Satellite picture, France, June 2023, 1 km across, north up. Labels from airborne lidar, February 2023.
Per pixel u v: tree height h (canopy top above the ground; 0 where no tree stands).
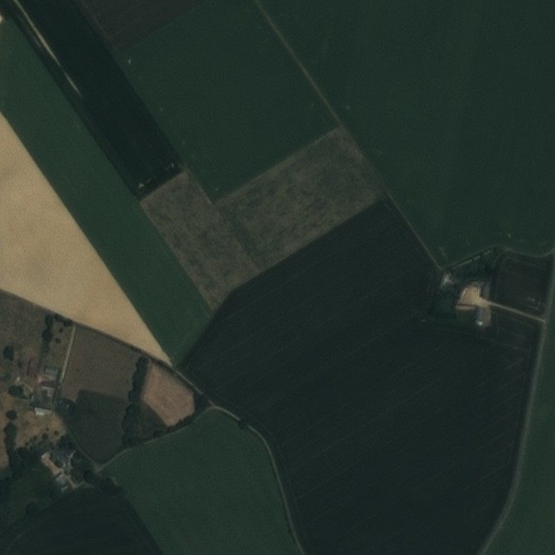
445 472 0
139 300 0
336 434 0
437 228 0
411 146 0
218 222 0
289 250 0
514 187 0
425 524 0
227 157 0
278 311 0
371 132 0
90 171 0
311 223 0
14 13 0
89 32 0
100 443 0
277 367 0
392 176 0
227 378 0
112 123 0
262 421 0
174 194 0
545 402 0
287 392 0
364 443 0
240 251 0
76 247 0
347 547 0
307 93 0
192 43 0
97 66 0
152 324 0
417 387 0
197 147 0
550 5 0
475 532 0
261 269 0
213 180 0
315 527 0
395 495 0
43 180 0
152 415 0
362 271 0
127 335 0
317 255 0
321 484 0
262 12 0
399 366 0
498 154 0
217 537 0
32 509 18
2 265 0
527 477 0
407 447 0
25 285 0
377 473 0
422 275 0
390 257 0
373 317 0
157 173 0
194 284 0
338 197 0
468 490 0
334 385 0
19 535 0
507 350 0
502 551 0
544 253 0
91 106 0
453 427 0
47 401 0
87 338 0
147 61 0
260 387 0
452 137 0
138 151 0
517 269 0
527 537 0
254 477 0
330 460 0
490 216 0
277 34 0
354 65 0
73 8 0
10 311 0
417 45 0
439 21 0
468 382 0
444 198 0
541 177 0
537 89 0
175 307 0
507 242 0
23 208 0
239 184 0
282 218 0
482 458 0
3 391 0
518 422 0
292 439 0
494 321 0
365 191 0
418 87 0
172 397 0
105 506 0
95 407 0
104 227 0
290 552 0
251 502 0
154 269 0
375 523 0
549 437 0
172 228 0
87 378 0
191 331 0
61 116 0
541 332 0
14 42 0
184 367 0
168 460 0
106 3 0
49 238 0
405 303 0
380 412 0
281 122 0
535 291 0
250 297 0
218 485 0
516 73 0
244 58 0
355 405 0
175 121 0
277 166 0
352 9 0
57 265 0
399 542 0
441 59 0
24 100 0
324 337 0
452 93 0
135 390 11
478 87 0
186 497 0
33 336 0
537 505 0
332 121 0
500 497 0
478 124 0
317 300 0
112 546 0
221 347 0
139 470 0
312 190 0
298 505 0
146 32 0
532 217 0
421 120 0
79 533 0
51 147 0
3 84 0
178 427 11
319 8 0
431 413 0
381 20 0
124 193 0
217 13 0
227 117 0
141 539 0
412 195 0
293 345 0
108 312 0
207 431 0
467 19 0
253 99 0
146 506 0
